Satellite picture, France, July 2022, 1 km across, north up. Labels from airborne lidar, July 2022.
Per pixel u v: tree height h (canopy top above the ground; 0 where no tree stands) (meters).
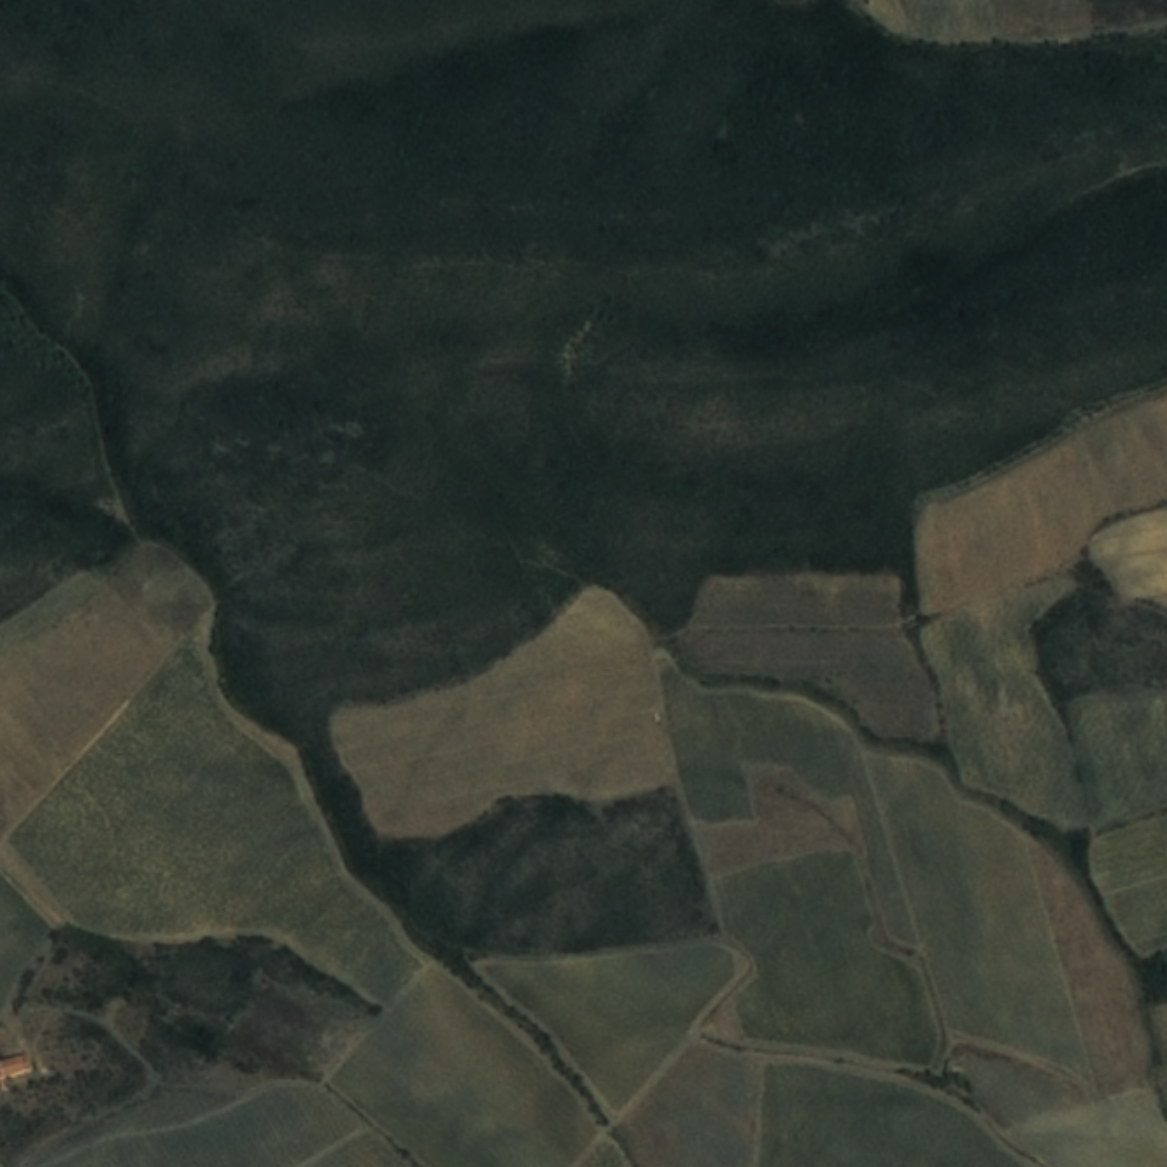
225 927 0
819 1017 0
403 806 0
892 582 0
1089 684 0
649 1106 0
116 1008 0
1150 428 0
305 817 0
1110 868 0
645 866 0
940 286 6
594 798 0
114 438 10
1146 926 0
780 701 0
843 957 0
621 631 0
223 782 0
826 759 0
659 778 0
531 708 0
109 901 0
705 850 0
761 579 0
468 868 0
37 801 0
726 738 0
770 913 0
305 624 0
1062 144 0
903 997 0
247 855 0
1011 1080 0
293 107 6
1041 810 0
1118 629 0
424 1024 0
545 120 6
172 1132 0
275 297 0
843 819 0
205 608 0
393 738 0
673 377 0
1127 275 6
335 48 0
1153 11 0
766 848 0
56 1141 0
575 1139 0
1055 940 0
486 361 0
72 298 0
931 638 0
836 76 8
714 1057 0
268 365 0
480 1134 0
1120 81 8
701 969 0
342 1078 0
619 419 0
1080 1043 0
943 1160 0
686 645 0
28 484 6
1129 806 0
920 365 0
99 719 0
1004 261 6
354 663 0
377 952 0
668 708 0
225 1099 0
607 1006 0
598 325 7
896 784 0
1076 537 0
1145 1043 0
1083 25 0
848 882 0
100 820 0
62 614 0
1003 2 0
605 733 0
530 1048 0
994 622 0
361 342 0
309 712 0
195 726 0
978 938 0
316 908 0
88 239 0
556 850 0
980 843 0
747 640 0
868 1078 0
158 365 0
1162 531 0
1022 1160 0
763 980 0
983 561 0
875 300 6
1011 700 0
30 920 0
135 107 0
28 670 0
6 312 15
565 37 5
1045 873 0
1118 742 0
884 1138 0
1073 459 0
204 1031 6
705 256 0
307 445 0
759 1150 0
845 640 0
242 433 0
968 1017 0
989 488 0
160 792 0
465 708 0
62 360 10
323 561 0
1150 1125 0
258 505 0
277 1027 0
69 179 0
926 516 0
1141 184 7
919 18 0
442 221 0
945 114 6
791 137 7
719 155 6
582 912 0
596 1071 0
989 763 0
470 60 7
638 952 0
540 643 0
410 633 0
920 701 0
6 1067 0
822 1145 0
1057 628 0
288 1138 0
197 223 0
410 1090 0
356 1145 0
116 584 0
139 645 0
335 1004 0
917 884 0
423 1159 0
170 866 0
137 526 6
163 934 0
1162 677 0
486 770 0
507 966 0
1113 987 0
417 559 0
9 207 0
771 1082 0
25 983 6
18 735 0
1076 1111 0
